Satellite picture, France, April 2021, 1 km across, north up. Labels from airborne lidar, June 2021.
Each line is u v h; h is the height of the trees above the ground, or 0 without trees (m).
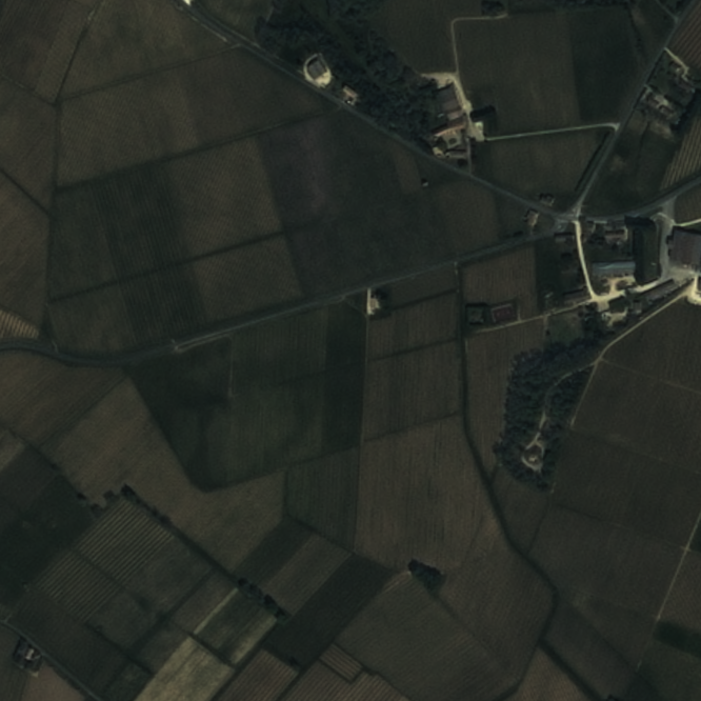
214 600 0
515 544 0
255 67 0
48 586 0
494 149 0
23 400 0
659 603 0
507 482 0
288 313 0
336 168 0
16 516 0
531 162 0
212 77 0
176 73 0
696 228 0
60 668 0
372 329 0
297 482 0
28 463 0
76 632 0
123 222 0
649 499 0
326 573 0
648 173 0
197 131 0
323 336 0
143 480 0
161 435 0
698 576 0
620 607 0
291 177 0
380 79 11
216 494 0
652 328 0
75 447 0
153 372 0
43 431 0
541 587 0
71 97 0
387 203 0
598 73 0
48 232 0
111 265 0
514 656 0
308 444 0
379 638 0
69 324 0
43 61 0
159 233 0
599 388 0
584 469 0
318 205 0
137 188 0
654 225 14
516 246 0
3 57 0
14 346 0
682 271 0
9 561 0
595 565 0
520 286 0
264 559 0
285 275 0
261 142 0
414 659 0
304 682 0
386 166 0
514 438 16
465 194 0
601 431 0
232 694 0
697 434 0
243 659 0
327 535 0
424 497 0
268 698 0
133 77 0
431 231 0
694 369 0
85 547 0
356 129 0
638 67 0
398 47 0
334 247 0
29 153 0
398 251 0
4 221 0
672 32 0
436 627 0
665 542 0
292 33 15
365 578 0
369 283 0
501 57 0
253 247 0
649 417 0
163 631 0
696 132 0
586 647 0
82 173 0
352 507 0
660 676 0
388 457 0
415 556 0
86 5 0
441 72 0
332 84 0
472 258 0
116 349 0
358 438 0
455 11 0
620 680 0
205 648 0
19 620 0
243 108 0
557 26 0
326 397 0
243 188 0
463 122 0
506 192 0
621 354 0
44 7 0
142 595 0
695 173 0
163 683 0
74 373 0
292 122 0
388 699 0
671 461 0
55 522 0
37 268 0
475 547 0
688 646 0
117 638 0
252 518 0
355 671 0
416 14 0
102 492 0
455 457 0
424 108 7
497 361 0
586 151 0
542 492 14
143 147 0
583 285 9
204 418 0
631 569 0
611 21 0
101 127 0
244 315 0
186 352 0
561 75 0
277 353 0
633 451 0
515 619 0
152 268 0
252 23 0
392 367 0
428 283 0
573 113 0
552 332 0
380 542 0
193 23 0
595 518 0
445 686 0
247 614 0
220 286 0
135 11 0
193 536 0
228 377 0
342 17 17
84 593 0
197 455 0
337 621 0
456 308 0
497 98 0
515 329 0
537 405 9
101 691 0
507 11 0
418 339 0
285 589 0
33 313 0
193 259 0
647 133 0
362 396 0
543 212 0
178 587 0
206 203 0
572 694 0
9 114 0
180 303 0
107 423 0
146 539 0
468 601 0
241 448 0
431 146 8
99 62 0
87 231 0
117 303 0
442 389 0
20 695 0
